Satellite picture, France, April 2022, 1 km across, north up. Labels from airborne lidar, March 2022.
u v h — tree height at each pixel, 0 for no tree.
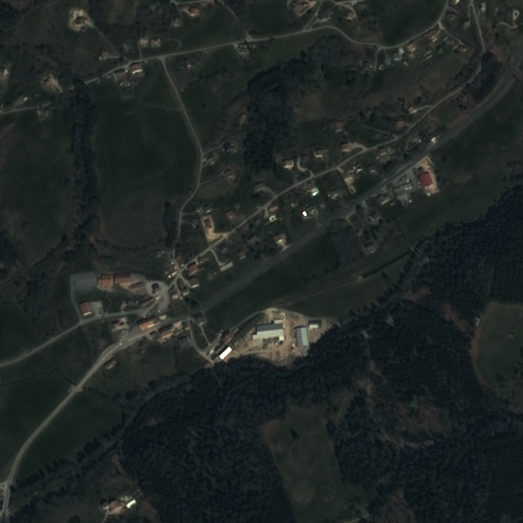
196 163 0
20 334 0
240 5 20
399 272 0
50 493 0
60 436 0
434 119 0
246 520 33
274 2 14
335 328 0
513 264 12
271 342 0
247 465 33
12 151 0
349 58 21
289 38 0
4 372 0
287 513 15
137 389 11
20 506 0
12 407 0
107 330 0
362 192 0
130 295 0
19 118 0
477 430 20
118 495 0
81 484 26
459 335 13
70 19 0
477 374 8
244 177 0
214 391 17
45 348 0
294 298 0
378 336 14
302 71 27
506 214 30
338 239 23
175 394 11
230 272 0
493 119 0
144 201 0
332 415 18
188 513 25
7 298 0
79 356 0
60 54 0
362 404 18
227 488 25
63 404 0
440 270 18
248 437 28
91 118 30
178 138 0
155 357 0
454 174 0
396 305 19
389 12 0
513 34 0
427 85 0
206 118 0
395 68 0
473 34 0
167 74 0
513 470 18
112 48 0
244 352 0
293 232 0
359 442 22
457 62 0
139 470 20
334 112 0
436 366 13
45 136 0
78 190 20
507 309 0
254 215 0
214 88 22
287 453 0
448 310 0
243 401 28
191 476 19
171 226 26
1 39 25
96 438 0
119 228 0
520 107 0
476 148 0
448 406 6
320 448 0
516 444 19
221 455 7
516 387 0
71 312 0
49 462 0
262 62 0
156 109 0
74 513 0
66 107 6
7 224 0
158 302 0
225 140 7
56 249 6
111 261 16
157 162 0
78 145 23
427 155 0
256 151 15
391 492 21
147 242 0
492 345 0
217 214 0
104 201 0
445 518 22
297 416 0
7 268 28
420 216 0
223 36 0
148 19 16
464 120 0
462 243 26
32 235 0
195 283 0
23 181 0
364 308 0
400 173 0
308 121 0
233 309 0
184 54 0
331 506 0
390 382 10
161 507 12
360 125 15
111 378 0
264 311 0
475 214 0
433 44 0
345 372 18
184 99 0
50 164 0
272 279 0
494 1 0
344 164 0
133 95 0
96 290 0
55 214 0
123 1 0
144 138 0
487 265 24
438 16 0
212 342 0
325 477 0
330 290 0
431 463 30
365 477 26
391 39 0
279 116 15
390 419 27
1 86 0
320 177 0
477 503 29
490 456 12
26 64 18
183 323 6
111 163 0
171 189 0
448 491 20
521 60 0
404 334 18
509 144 0
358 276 0
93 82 0
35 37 0
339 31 0
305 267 0
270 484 35
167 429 16
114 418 0
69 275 0
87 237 21
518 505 18
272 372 26
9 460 0
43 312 22
